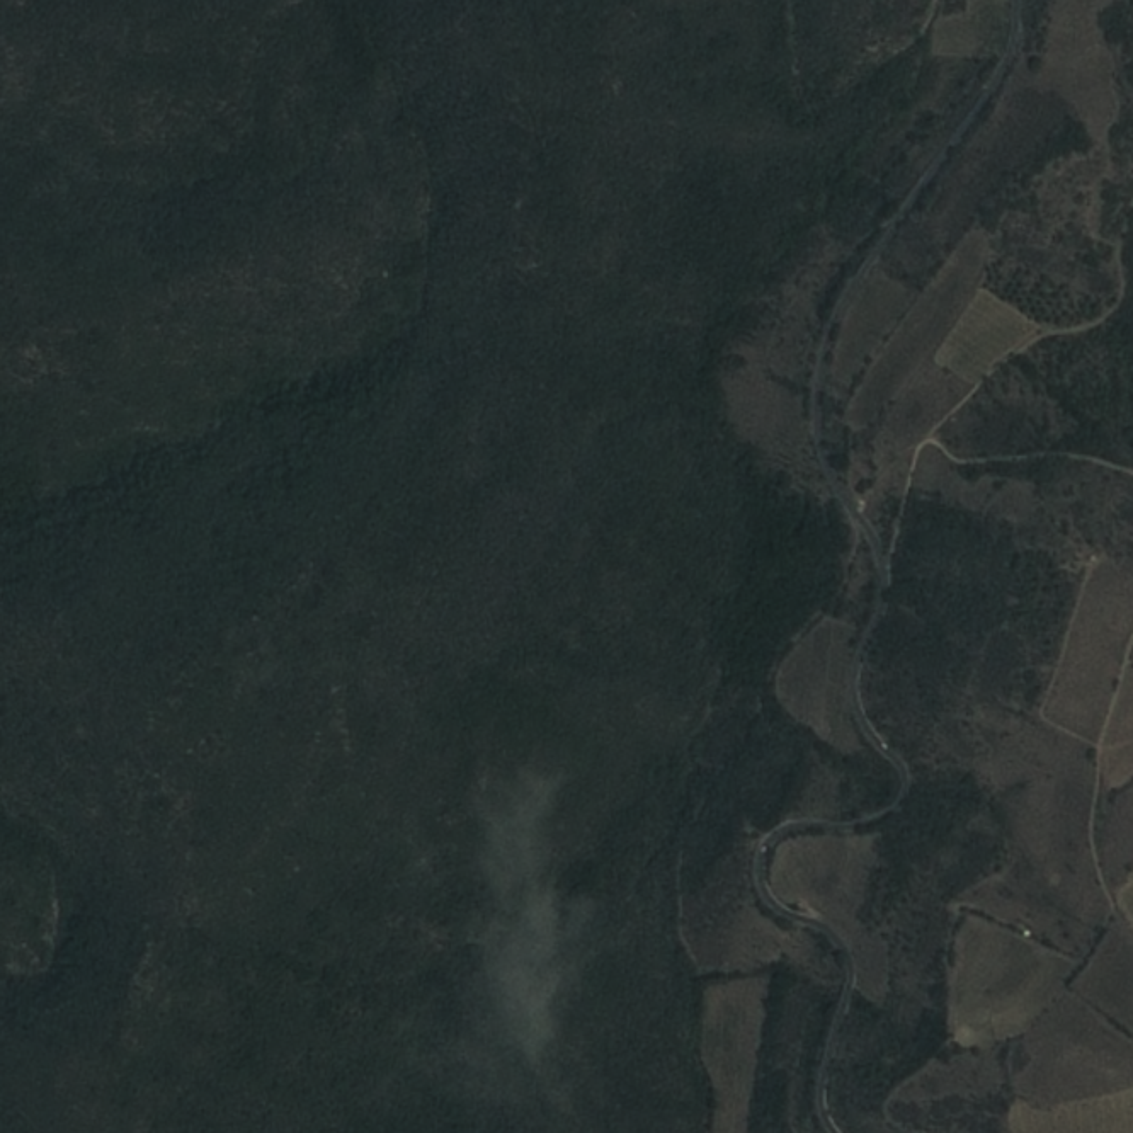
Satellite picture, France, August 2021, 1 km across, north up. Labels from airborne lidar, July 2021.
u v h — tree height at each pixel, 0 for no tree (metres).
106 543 6
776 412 0
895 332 0
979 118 6
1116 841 0
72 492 8
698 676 5
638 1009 6
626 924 6
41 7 6
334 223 7
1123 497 0
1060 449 7
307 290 6
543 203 6
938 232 0
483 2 6
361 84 9
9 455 6
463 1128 11
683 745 6
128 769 0
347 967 8
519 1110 6
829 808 0
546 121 6
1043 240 0
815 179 7
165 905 0
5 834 7
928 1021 6
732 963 0
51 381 6
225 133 7
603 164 6
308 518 5
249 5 6
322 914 8
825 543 9
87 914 9
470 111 5
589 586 7
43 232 6
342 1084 8
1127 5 7
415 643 5
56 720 6
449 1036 6
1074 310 8
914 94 6
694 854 6
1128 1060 0
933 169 0
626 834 8
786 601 8
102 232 6
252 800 6
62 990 6
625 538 5
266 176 9
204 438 6
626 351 6
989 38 0
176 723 0
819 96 7
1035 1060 0
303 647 6
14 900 8
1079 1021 0
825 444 8
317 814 6
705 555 6
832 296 7
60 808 5
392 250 8
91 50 5
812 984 6
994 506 0
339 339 6
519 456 6
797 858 0
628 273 7
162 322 6
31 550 7
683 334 9
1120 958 0
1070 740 0
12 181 6
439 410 6
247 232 5
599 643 6
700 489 7
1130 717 0
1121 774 0
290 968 9
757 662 8
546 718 7
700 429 6
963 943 0
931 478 0
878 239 6
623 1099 6
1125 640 0
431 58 6
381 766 0
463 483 5
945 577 6
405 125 11
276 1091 6
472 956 7
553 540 7
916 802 6
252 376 7
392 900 7
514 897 14
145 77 5
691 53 6
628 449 6
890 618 6
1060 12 0
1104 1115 0
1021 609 7
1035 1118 0
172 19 6
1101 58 0
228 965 6
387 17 7
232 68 6
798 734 7
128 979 6
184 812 0
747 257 8
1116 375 7
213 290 5
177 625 6
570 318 7
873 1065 8
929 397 0
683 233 6
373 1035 6
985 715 0
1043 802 0
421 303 8
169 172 7
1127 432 6
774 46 9
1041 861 0
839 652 0
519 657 6
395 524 6
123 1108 6
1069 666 0
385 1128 7
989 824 0
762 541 13
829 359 7
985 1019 0
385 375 7
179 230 6
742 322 7
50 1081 0
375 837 5
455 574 6
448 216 9
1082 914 0
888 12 6
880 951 0
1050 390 7
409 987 7
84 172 6
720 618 6
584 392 6
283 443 8
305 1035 7
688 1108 6
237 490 6
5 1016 7
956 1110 0
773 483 9
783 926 9
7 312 6
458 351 7
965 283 0
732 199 7
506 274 6
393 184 6
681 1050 8
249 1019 9
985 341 0
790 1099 7
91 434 7
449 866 7
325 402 11
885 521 7
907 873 6
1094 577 0
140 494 7
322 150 6
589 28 7
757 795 6
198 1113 8
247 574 7
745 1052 0
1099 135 0
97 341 7
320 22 6
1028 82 0
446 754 7
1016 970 0
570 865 6
